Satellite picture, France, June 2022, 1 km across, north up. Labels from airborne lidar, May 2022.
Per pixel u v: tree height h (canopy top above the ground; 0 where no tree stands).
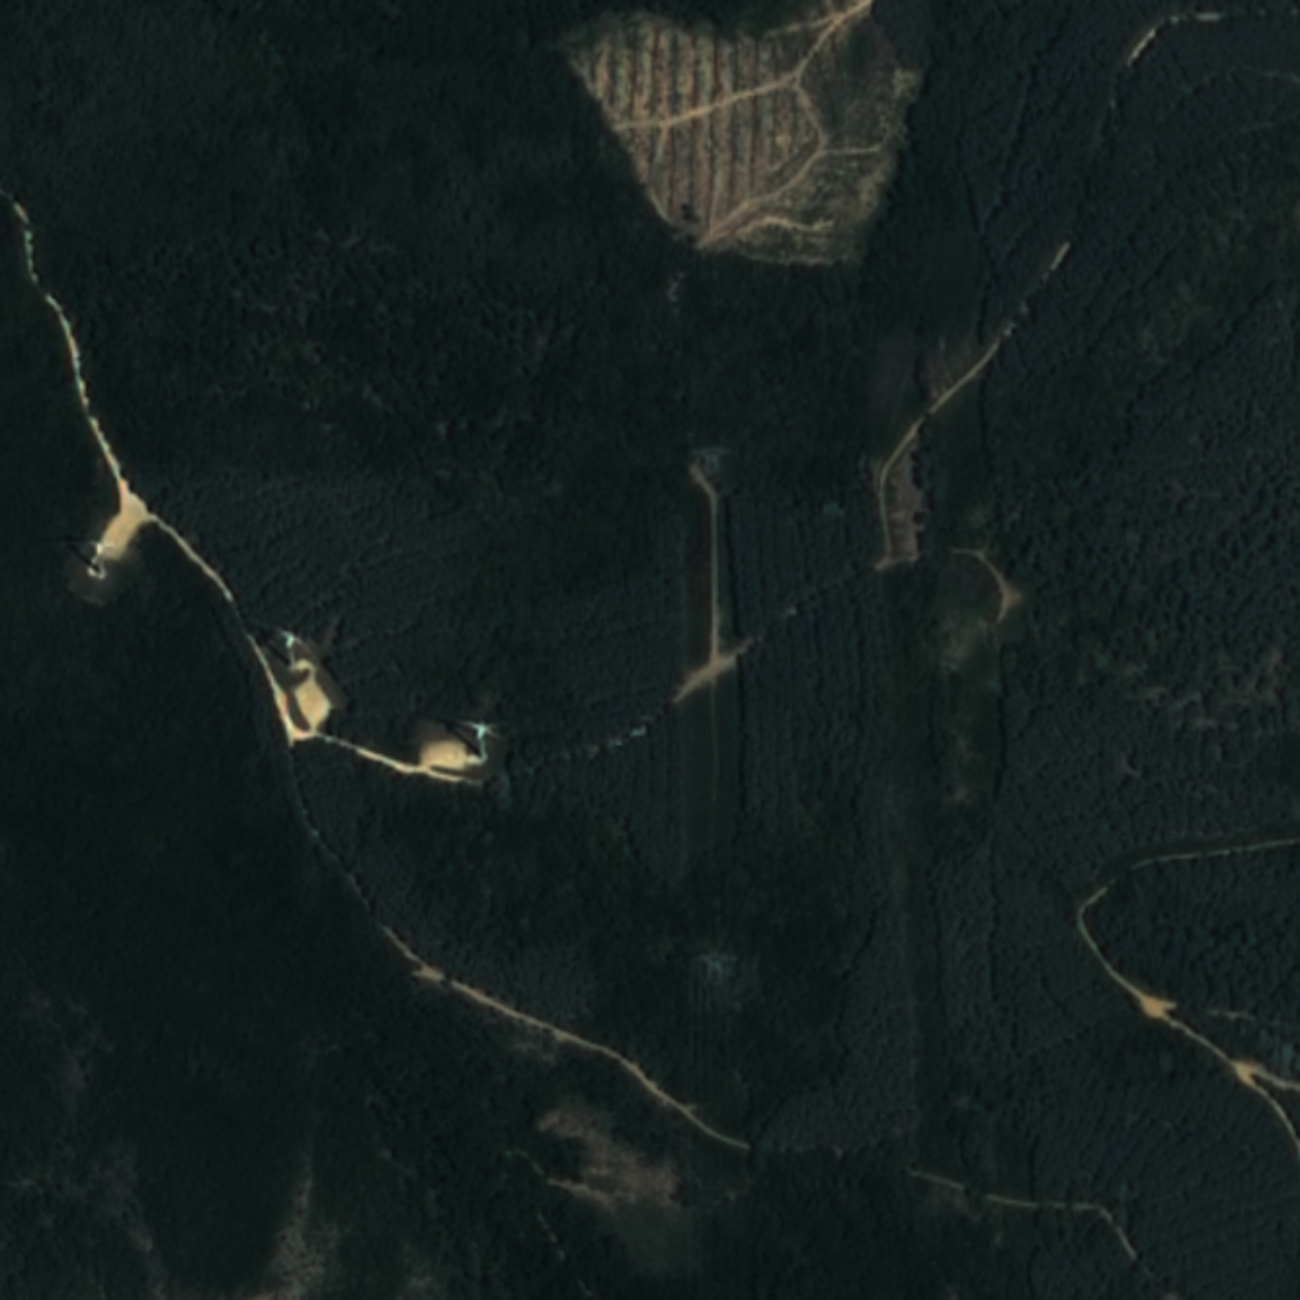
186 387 14
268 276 16
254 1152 11
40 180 19
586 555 13
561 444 14
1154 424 17
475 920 9
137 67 14
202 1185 11
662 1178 0
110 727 10
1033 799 20
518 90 17
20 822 14
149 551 9
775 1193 11
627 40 0
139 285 15
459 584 15
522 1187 15
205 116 18
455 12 19
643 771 20
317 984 13
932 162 14
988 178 18
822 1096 19
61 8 18
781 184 0
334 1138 14
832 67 0
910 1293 11
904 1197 13
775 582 17
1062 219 18
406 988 13
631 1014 14
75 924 12
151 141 16
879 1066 15
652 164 0
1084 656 14
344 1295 8
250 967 13
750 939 6
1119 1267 15
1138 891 15
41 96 18
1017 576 17
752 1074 15
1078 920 17
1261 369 17
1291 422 16
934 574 14
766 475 9
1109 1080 9
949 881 17
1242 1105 18
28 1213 9
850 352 12
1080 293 15
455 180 12
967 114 16
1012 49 17
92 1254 8
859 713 6
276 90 16
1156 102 15
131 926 13
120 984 11
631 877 7
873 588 17
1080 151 17
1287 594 23
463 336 17
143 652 11
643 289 13
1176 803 17
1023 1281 9
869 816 15
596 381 15
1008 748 16
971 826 10
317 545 18
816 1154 14
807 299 19
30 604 10
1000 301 16
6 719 14
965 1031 13
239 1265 10
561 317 16
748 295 16
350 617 16
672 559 17
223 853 14
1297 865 16
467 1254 18
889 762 12
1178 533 16
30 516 12
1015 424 14
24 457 13
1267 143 14
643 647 17
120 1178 6
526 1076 14
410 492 15
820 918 11
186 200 17
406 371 17
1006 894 18
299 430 9
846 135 0
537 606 18
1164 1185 15
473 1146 21
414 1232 10
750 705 16
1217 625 22
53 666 11
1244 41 13
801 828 10
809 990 13
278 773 17
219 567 14
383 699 17
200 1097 13
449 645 17
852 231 0
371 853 15
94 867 14
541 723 12
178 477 16
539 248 10
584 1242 14
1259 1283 14
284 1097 12
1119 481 18
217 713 10
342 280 17
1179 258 12
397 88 19
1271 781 7
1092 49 17
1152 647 9
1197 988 19
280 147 15
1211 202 15
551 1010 15
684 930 9
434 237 15
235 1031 12
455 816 11
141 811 13
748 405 14
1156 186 14
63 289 17
